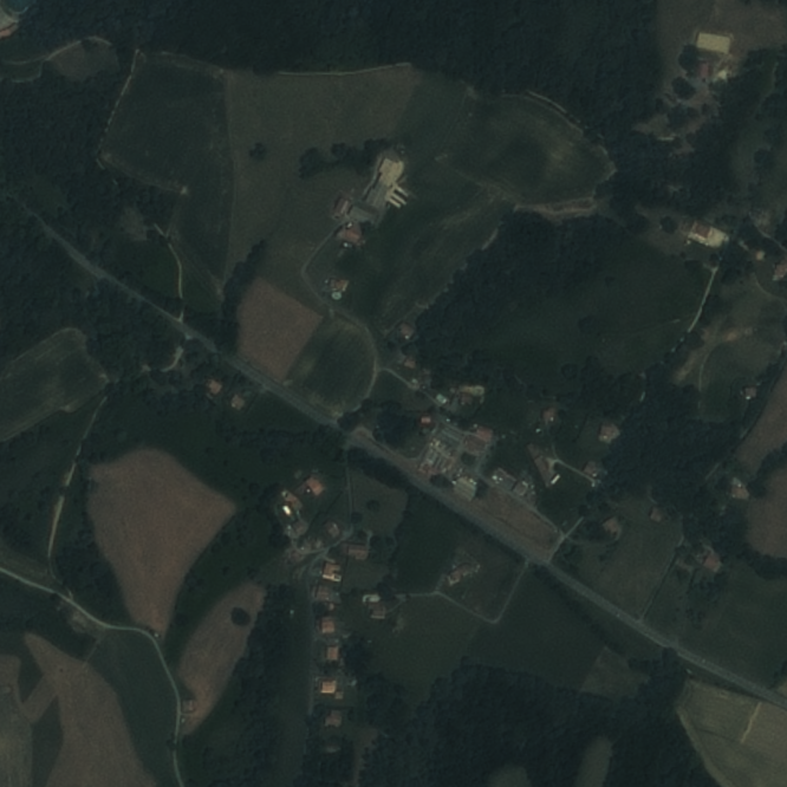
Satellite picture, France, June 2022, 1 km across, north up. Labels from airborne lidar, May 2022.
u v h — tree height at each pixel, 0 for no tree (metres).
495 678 20
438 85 0
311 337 0
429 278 0
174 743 10
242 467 0
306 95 0
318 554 0
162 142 0
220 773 0
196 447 0
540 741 11
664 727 25
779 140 12
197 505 0
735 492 0
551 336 0
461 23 22
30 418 0
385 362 0
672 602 0
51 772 0
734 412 0
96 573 20
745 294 0
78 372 0
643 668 14
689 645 0
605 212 0
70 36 15
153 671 0
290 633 19
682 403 25
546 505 0
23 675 0
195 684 0
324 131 0
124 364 24
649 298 0
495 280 19
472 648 0
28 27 12
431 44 17
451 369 20
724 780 0
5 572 0
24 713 0
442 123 0
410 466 0
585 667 0
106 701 0
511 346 0
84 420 0
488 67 21
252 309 0
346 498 0
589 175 0
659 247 0
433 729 19
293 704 0
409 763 25
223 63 14
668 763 14
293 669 0
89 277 0
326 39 10
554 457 0
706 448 24
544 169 0
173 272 0
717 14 0
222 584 0
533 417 0
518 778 0
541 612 0
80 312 26
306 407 0
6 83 11
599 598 0
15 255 25
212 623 0
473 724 11
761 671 0
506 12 26
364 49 9
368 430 0
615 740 12
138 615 0
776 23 0
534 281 22
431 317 17
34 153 12
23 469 0
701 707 0
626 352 0
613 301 0
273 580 0
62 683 0
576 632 0
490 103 0
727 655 0
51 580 0
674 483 22
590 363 13
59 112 8
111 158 0
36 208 18
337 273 0
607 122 16
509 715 12
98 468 0
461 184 0
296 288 0
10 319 8
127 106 0
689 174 17
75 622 0
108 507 0
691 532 19
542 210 0
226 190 0
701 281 0
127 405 0
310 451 0
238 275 17
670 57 0
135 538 0
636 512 0
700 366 0
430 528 0
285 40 17
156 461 0
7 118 15
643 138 15
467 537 0
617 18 13
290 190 0
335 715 0
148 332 21
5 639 0
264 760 16
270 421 0
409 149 0
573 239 27
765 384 9
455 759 9
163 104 0
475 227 0
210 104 0
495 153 0
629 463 24
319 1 22
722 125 15
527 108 0
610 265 0
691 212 13
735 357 0
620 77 22
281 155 0
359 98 0
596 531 14
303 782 18
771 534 0
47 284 20
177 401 22
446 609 0
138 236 0
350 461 16
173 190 0
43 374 0
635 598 0
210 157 0
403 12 29
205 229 0
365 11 18
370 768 20
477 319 24
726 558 14
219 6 16
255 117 0
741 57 0
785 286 8
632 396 16
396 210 0
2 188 14
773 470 7
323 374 0
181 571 0
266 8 16
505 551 7
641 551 0
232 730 0
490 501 0
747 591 0
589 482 0
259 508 15
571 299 0
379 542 19
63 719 0
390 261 0
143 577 0
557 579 9
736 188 11
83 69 0
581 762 10
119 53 16
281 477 0
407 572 0
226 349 22
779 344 0
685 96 19
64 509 0
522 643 0
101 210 11
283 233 0
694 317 0
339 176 0
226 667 0
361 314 0
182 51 10
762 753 0
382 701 29
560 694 21
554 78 12
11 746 0
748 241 23
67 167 11
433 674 0
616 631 0
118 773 0
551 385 0
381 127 0
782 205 0
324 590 0
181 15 20
